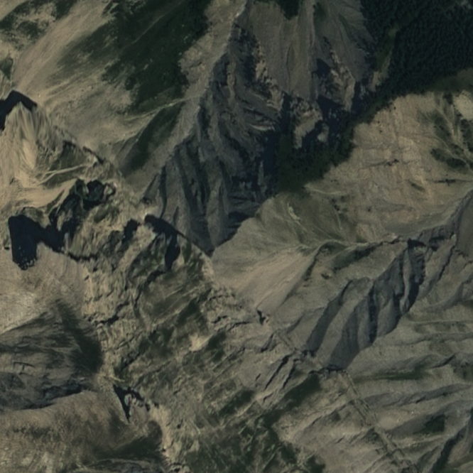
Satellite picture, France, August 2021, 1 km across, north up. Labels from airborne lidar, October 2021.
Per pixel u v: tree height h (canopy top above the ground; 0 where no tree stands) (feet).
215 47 0
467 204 0
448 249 0
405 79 27
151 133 0
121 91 0
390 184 0
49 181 0
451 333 0
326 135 0
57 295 0
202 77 0
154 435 0
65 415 0
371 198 0
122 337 0
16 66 0
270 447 0
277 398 0
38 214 0
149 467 0
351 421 0
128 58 0
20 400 0
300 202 0
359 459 0
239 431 0
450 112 0
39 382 0
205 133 0
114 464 0
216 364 0
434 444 0
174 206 0
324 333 0
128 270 0
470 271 0
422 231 0
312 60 0
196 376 0
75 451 0
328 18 0
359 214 0
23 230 0
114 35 0
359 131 0
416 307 0
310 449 0
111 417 0
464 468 0
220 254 0
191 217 0
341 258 0
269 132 0
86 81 0
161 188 0
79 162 0
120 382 0
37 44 0
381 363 0
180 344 0
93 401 0
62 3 0
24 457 0
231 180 0
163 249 0
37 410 0
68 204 0
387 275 0
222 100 0
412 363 0
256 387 0
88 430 0
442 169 0
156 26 0
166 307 0
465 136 21
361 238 0
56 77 0
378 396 0
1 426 0
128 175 0
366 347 0
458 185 0
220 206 0
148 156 0
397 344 0
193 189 0
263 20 0
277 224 0
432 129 0
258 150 0
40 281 0
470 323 0
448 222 0
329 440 0
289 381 0
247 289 0
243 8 0
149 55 0
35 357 0
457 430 0
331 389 0
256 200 0
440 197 0
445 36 57
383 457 0
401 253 0
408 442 0
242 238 0
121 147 0
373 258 0
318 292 0
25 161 0
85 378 0
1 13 0
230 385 0
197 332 0
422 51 66
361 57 0
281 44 0
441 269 0
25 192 0
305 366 0
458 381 0
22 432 0
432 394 0
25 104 0
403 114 0
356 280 0
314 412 0
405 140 0
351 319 0
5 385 0
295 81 0
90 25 0
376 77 0
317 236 0
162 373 0
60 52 0
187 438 0
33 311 0
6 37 0
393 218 0
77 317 0
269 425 0
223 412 0
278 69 0
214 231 0
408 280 0
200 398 0
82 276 0
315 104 0
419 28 58
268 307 0
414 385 0
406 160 0
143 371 0
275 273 0
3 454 0
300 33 0
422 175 0
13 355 0
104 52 0
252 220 0
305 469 0
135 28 0
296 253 0
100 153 0
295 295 0
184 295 0
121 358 0
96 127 0
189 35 0
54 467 0
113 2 0
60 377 0
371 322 0
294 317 0
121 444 0
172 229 0
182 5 0
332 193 0
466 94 0
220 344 0
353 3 0
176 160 0
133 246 0
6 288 0
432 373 0
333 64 0
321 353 0
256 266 0
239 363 0
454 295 0
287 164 0
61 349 0
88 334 0
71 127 0
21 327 0
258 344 0
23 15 0
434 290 0
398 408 0
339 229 0
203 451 0
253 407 0
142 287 0
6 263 0
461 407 0
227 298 0
